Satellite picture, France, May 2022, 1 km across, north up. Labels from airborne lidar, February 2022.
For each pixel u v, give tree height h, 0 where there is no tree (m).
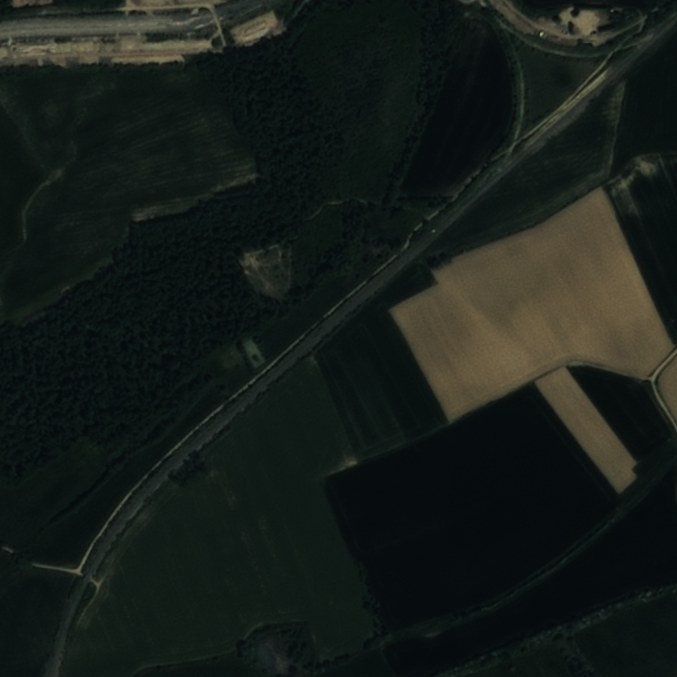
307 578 0
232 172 0
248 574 0
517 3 0
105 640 0
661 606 0
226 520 0
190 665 0
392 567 0
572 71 0
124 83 0
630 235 0
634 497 0
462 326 0
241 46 0
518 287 0
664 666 0
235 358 0
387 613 0
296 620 0
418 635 0
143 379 18
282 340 0
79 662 0
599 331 0
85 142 0
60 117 0
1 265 0
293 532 0
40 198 0
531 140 0
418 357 0
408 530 0
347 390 0
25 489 0
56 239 0
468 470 0
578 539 0
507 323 0
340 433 0
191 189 0
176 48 0
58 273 0
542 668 0
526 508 0
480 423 0
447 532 0
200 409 0
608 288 0
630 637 0
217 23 0
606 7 10
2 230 0
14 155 0
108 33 0
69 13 0
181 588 0
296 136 21
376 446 0
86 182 0
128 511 0
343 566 0
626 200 0
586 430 0
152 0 0
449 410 0
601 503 0
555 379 0
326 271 22
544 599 0
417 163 0
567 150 0
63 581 0
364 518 0
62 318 19
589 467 0
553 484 0
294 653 14
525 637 11
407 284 0
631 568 0
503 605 0
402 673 0
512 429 0
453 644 0
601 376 0
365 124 0
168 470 0
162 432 16
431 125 0
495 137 0
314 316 0
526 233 0
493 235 0
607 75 0
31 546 0
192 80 0
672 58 0
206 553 0
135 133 0
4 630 0
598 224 0
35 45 0
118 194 0
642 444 0
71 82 0
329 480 0
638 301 0
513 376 0
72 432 25
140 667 0
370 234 17
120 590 0
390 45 0
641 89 0
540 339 0
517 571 0
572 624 7
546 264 0
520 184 0
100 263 0
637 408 0
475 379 0
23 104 0
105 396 24
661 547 0
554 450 0
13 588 0
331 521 0
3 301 0
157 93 0
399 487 0
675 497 0
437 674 6
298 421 0
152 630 0
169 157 0
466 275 0
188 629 0
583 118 0
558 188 0
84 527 0
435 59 21
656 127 0
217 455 0
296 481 0
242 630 0
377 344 0
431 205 21
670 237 0
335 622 0
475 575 0
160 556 0
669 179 0
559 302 0
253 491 0
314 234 0
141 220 0
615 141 0
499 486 0
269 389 7
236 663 0
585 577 0
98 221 0
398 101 0
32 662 0
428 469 0
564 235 0
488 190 0
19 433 23
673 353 0
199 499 0
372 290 0
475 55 0
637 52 0
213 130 0
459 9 11
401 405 0
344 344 0
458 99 0
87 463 0
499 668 0
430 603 0
